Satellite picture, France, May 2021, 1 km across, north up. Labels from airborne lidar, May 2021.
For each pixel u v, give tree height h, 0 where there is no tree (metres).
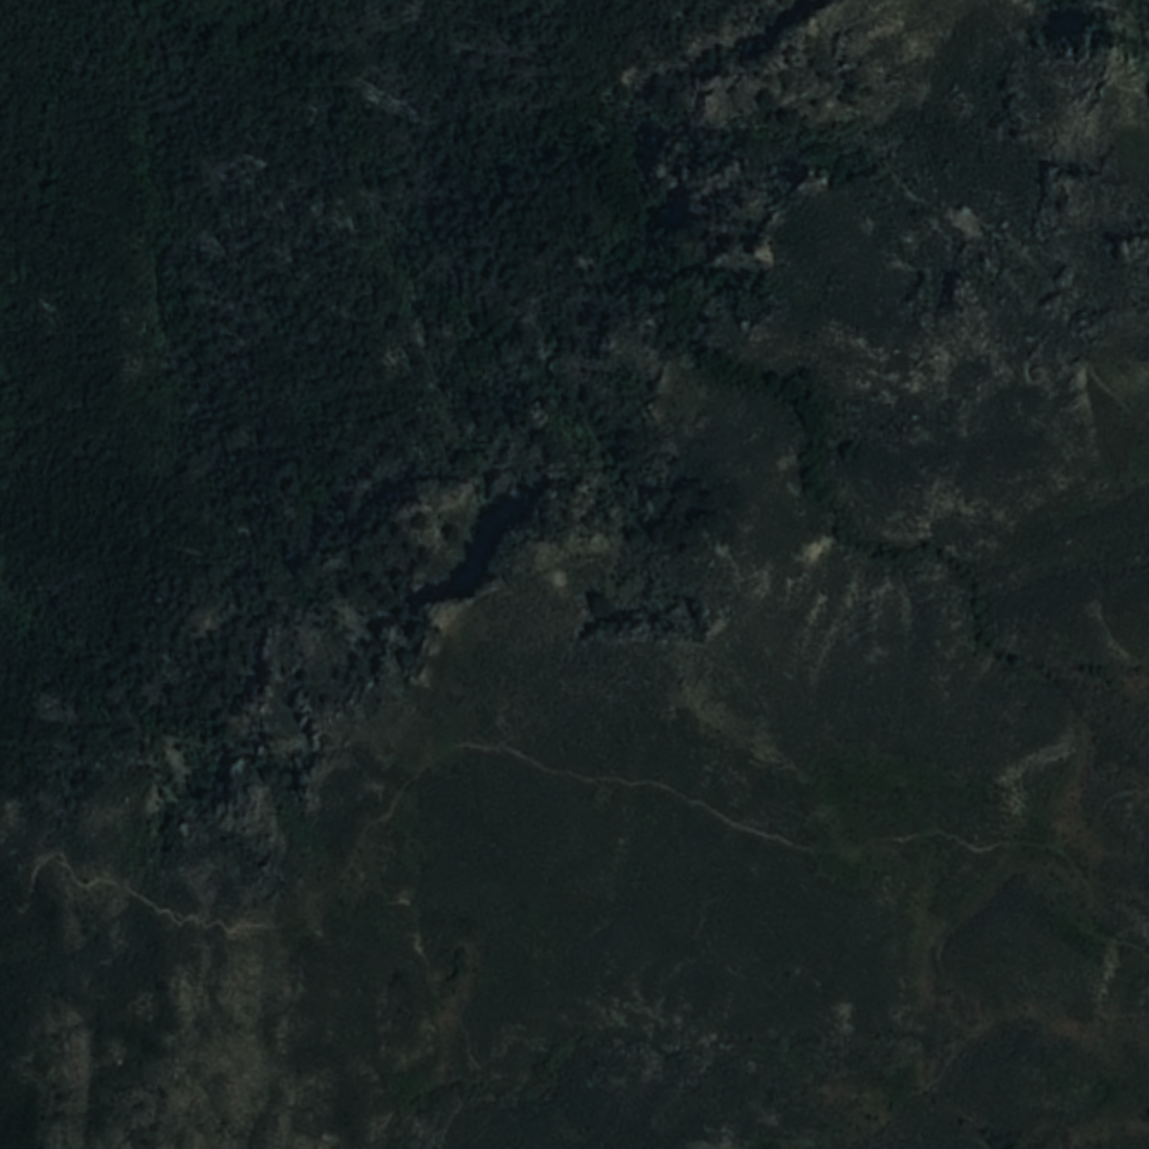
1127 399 0
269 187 9
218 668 7
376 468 8
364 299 6
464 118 6
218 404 14
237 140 7
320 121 7
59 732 9
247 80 16
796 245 6
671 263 19
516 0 14
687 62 11
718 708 0
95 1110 6
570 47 6
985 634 14
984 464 0
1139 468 0
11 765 6
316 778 0
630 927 0
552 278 6
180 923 0
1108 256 6
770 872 0
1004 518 0
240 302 10
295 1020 0
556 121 27
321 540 12
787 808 0
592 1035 8
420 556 8
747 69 9
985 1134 9
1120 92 0
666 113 9
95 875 0
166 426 6
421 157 8
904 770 0
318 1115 0
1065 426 0
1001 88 6
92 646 13
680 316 20
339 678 8
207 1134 0
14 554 9
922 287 8
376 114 13
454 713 0
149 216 12
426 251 8
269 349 9
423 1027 0
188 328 10
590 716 0
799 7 9
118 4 20
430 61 10
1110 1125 0
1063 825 0
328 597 6
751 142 16
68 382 11
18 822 0
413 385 8
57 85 13
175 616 6
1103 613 0
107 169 9
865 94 10
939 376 0
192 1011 0
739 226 9
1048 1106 0
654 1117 0
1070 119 0
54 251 13
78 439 12
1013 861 0
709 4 11
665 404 0
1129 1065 0
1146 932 0
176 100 15
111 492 11
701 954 0
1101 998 0
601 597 14
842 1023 0
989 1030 0
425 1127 0
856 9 0
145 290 8
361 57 6
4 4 13
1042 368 0
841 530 18
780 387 19
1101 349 0
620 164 19
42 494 8
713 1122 0
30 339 8
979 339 0
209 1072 0
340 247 9
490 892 0
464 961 7
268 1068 0
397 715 0
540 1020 0
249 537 7
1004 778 0
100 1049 6
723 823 0
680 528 12
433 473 11
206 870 0
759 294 8
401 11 6
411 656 12
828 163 8
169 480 6
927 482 0
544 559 0
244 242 8
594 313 12
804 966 0
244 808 0
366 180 7
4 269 15
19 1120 6
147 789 7
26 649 11
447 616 0
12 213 15
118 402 6
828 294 6
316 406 7
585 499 8
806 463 16
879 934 0
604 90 11
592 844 0
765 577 0
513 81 9
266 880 0
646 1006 0
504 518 20
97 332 10
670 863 0
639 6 10
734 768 0
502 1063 0
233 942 0
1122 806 0
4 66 13
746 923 0
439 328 8
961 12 0
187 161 8
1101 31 10
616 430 7
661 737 0
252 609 7
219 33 23
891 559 10
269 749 9
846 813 0
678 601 10
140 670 8
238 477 7
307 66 25
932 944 0
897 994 0
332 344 13
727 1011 0
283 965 0
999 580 0
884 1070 0
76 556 11
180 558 8
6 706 11
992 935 0
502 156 9
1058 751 0
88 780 6
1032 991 0
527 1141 0
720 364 24
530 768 0
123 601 12
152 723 12
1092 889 0
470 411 8
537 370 8
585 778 0
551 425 6
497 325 9
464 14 10
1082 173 15
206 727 8
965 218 0
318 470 7
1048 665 8
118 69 8
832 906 0
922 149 6
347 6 8
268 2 11
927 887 0
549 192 9
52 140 11
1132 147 0
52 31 13
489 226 12
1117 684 8
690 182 7
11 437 7
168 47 17
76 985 0
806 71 9
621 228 9
